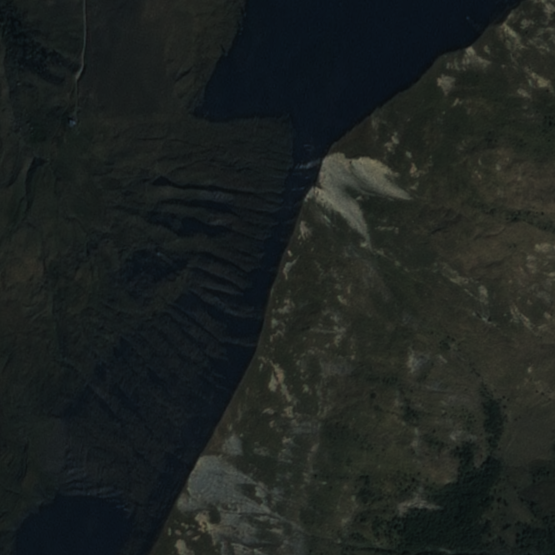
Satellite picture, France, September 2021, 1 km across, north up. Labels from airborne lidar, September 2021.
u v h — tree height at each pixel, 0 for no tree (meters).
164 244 0
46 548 0
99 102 0
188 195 0
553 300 0
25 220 0
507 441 0
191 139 0
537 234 0
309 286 0
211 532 0
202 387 0
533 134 0
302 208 0
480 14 0
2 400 0
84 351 0
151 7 0
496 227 0
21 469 0
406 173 0
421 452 0
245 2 0
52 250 0
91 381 0
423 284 0
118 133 0
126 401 0
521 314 0
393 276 0
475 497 7
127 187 0
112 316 0
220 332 0
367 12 0
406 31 0
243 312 0
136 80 0
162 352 0
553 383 0
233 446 0
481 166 0
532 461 0
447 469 0
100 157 0
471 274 0
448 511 12
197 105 0
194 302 0
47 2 0
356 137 0
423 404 0
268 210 0
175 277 0
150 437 0
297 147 0
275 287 0
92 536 0
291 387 0
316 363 0
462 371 0
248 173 0
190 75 0
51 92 0
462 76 0
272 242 0
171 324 0
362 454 0
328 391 0
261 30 0
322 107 0
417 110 0
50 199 0
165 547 0
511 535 0
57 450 0
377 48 0
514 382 0
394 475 0
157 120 0
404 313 0
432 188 0
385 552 8
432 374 0
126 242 0
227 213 0
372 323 0
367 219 0
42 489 0
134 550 0
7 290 0
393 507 0
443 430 0
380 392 0
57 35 0
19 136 0
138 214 0
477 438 0
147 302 0
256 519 0
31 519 0
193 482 0
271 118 0
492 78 0
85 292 0
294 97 0
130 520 0
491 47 0
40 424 0
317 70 0
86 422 0
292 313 0
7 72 0
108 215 0
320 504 0
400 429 0
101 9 0
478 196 0
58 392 0
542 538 7
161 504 0
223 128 0
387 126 0
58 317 0
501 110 0
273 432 0
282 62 0
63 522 0
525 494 0
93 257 0
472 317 0
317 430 0
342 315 0
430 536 9
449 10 0
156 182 0
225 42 0
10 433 0
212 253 0
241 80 0
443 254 0
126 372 0
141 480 0
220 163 0
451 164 0
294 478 0
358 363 0
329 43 0
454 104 0
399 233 0
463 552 10
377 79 0
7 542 0
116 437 0
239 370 0
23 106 0
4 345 0
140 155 0
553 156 0
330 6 0
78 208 0
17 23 11
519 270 0
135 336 0
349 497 0
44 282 0
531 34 0
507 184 0
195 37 0
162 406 0
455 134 0
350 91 0
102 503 0
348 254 0
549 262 0
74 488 0
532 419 0
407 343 0
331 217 0
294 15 0
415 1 0
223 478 0
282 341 0
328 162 0
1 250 0
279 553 0
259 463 0
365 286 0
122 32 0
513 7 0
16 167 0
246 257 0
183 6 0
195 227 0
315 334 0
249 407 0
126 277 0
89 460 0
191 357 0
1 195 0
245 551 0
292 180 0
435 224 0
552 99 0
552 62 0
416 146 0
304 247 0
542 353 0
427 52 0
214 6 0
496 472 11
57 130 0
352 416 0
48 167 0
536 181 0
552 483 0
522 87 0
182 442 0
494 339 0
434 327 0
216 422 0
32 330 0
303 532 0
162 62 0
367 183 0
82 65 0
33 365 0
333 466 0
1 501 0
